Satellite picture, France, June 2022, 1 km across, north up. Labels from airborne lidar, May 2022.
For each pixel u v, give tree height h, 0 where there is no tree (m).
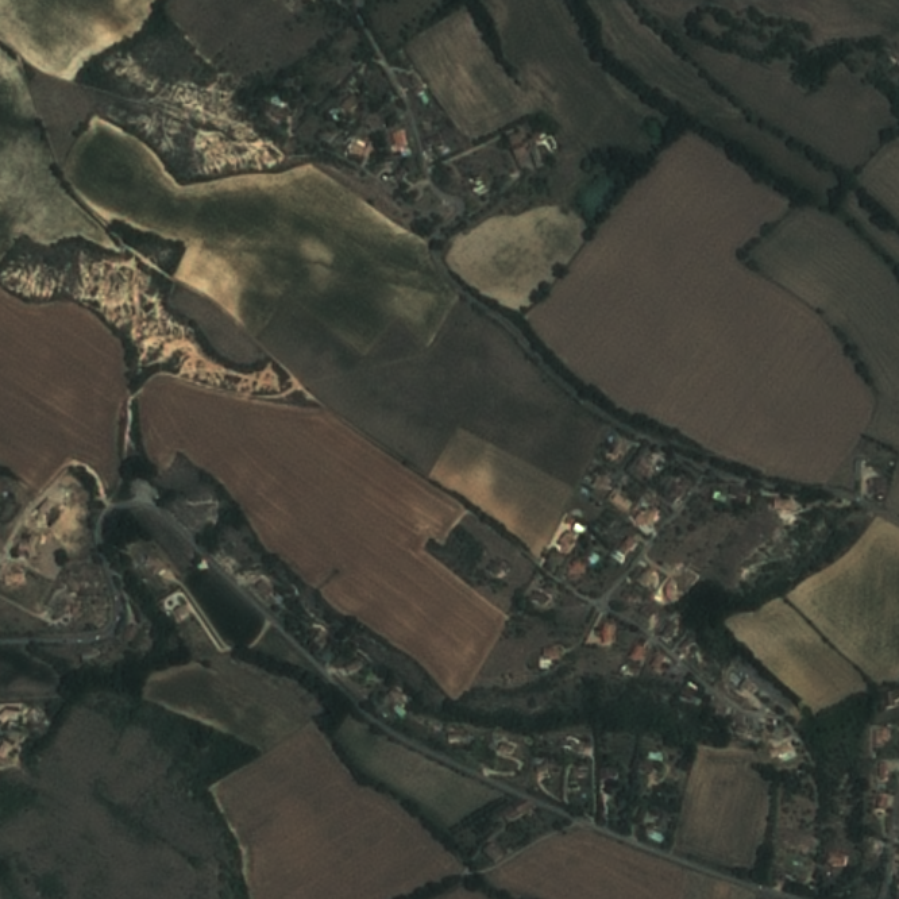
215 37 0
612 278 0
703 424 0
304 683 20
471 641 0
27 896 0
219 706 0
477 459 0
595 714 11
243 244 0
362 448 0
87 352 0
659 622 0
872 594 0
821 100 0
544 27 0
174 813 0
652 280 0
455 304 0
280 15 0
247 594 0
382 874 0
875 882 11
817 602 0
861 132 0
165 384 0
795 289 0
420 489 0
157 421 0
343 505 0
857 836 12
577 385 10
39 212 0
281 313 0
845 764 9
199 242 0
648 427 11
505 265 0
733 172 0
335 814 0
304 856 0
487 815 8
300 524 0
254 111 9
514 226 0
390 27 0
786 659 0
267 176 0
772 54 9
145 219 0
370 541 0
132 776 0
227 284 0
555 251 0
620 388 0
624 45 0
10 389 0
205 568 0
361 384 0
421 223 9
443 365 0
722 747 8
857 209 0
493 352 0
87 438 0
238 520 7
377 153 9
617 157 26
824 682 0
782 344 0
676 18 0
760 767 9
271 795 0
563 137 0
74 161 0
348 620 12
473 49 0
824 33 0
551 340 0
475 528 0
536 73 0
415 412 0
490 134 8
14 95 0
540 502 0
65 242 7
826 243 0
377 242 0
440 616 0
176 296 0
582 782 6
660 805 15
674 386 0
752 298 0
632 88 14
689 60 13
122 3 0
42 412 0
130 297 0
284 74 17
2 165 0
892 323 0
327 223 0
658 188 0
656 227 0
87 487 7
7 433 0
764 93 0
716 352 0
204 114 0
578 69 0
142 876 0
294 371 0
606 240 0
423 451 0
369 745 0
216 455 0
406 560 0
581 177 0
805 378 0
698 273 0
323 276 0
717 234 0
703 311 0
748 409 0
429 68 0
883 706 6
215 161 0
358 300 0
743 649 10
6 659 0
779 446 0
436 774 0
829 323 0
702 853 0
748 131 0
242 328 0
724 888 0
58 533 0
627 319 0
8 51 6
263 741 0
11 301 0
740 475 12
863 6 0
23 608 0
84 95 0
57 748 0
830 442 0
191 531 0
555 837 0
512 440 0
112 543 11
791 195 19
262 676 0
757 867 8
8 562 0
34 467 0
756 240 11
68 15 0
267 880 0
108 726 0
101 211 0
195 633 0
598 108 0
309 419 0
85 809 0
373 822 0
